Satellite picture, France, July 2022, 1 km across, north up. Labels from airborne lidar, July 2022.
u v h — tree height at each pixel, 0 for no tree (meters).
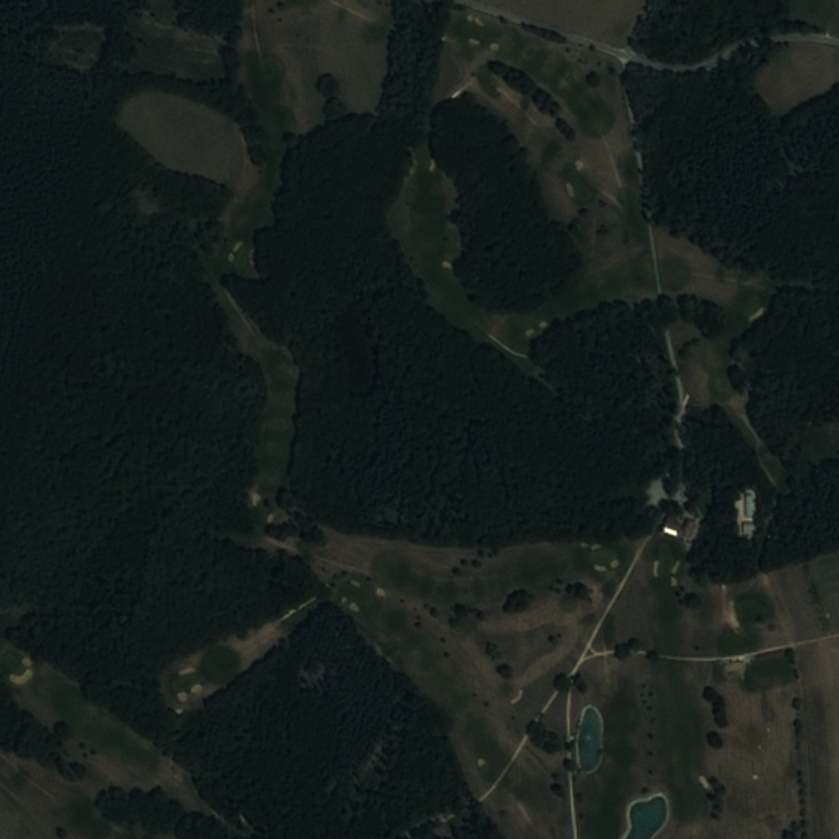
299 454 13
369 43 0
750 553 19
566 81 0
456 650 0
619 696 0
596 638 0
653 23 10
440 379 23
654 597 0
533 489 19
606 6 0
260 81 0
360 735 22
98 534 15
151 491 20
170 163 0
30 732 22
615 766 0
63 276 22
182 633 18
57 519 16
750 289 0
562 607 0
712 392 0
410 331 19
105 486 19
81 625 22
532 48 0
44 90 21
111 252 24
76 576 18
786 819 0
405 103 20
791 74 0
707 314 21
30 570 14
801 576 0
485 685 0
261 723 16
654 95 14
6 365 21
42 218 19
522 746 0
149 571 19
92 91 18
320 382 21
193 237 9
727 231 22
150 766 0
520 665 0
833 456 0
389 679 20
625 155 0
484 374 27
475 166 20
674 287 0
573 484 27
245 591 16
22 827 0
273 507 17
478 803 8
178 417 14
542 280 24
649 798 0
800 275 22
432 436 18
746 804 0
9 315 21
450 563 0
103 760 0
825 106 17
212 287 23
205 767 16
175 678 0
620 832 0
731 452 24
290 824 18
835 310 19
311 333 21
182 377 18
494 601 0
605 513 22
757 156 23
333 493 22
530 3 0
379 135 19
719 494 19
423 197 0
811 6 0
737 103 22
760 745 0
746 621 0
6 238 23
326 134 20
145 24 0
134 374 12
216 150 0
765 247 24
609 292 0
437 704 0
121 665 21
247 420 13
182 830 20
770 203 21
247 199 0
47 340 16
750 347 21
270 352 0
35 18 18
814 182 17
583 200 0
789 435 21
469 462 20
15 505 18
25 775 0
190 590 17
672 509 21
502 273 26
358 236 19
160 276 20
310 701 12
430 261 0
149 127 0
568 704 0
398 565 0
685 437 24
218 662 0
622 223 0
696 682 0
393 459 30
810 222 19
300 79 0
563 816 0
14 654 0
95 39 0
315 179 20
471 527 17
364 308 25
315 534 24
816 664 0
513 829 0
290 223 25
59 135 22
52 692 0
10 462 16
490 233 23
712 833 0
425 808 14
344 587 0
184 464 18
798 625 0
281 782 9
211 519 17
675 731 0
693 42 17
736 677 0
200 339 18
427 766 20
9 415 17
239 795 17
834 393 16
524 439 21
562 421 16
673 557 0
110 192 15
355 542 0
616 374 19
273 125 0
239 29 20
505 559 0
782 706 0
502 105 0
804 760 0
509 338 0
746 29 9
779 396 29
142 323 14
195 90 16
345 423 20
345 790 18
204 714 8
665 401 23
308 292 23
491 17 0
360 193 19
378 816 13
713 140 22
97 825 0
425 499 20
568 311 0
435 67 16
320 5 0
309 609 0
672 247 0
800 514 20
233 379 9
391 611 0
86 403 20
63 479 15
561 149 0
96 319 18
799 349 24
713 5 18
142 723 21
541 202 11
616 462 29
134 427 10
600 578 0
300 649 16
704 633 0
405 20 21
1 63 21
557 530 18
